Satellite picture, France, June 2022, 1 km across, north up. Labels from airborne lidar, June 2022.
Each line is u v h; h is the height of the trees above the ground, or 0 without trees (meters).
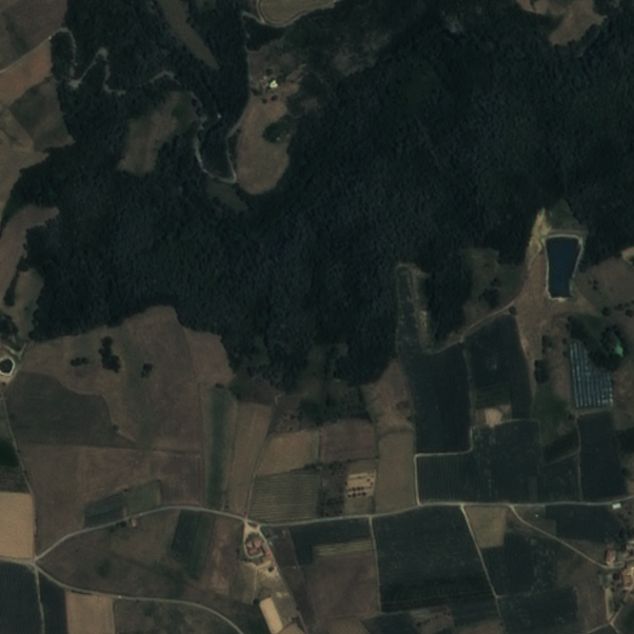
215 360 0
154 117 0
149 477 0
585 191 16
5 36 0
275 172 0
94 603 0
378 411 0
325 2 0
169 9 0
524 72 17
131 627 0
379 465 0
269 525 0
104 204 9
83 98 16
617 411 0
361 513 0
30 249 6
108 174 18
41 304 13
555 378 0
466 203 19
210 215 9
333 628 0
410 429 0
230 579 0
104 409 0
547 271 0
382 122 24
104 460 0
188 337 0
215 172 8
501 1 11
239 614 0
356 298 13
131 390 0
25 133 0
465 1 12
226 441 0
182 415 0
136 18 17
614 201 7
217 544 0
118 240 11
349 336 11
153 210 8
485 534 0
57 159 7
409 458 0
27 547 0
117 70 11
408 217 14
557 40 0
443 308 20
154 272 16
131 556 0
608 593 0
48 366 0
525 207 8
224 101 21
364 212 14
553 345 6
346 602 0
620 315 0
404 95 10
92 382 0
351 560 0
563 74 21
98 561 0
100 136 8
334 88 8
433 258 20
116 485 0
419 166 12
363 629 0
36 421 0
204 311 13
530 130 16
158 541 0
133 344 0
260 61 0
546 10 0
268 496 0
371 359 9
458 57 11
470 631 0
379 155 10
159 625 0
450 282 11
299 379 11
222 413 0
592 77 15
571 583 0
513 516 0
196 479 0
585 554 0
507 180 11
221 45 21
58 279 10
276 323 11
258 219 15
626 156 17
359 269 12
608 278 0
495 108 15
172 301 12
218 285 16
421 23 11
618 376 0
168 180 15
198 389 0
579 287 0
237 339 13
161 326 0
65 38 9
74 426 0
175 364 0
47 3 0
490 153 14
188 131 11
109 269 16
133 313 8
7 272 0
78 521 0
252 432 0
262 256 16
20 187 11
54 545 0
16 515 0
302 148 17
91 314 15
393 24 12
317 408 6
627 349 14
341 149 17
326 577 0
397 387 0
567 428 0
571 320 12
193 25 9
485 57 15
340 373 13
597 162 9
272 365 8
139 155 0
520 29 16
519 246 10
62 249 13
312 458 0
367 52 8
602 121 13
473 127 13
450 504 0
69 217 10
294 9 0
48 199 17
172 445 0
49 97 0
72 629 0
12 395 0
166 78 13
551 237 0
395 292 9
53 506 0
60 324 9
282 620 0
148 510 0
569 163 17
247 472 0
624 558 0
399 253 8
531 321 0
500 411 0
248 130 0
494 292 11
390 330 6
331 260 15
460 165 18
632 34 13
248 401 0
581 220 10
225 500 0
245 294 20
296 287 12
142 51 17
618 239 8
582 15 0
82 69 11
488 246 12
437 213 11
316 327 14
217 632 0
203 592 0
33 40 0
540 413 0
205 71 15
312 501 0
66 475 0
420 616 0
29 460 0
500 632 0
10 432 0
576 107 15
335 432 0
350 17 11
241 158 0
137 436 0
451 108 18
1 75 0
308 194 21
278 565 0
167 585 0
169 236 18
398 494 0
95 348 0
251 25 11
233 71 6
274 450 0
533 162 12
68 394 0
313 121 12
